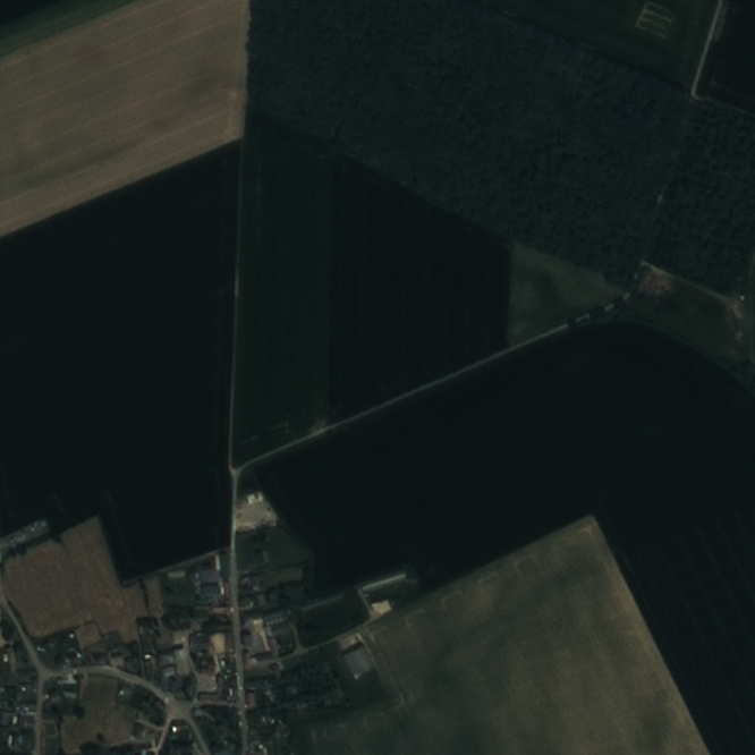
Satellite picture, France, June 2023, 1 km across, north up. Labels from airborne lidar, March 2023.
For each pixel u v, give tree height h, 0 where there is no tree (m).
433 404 0
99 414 0
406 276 0
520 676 0
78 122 0
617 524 0
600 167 27
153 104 0
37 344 0
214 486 0
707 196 13
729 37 0
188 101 0
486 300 0
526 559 0
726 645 0
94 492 0
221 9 0
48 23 0
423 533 0
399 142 20
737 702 0
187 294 0
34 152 0
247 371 0
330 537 0
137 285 0
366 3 23
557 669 0
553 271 0
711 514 0
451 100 21
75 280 0
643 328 0
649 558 0
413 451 0
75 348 0
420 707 0
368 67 27
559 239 16
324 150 0
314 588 0
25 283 0
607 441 0
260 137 0
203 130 0
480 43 24
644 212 22
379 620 0
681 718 0
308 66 22
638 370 0
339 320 0
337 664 0
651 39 0
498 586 0
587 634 0
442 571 0
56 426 0
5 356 0
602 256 15
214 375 0
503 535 0
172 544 0
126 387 0
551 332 0
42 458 0
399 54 24
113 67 0
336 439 0
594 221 21
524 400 0
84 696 0
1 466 0
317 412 0
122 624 0
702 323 0
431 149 22
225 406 0
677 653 0
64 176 0
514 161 18
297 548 0
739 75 0
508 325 0
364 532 0
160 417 0
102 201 0
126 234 0
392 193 0
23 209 0
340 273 0
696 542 0
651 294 0
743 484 0
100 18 0
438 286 0
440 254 0
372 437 0
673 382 0
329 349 0
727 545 0
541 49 22
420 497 0
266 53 18
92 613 0
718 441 0
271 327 0
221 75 0
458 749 0
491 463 0
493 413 0
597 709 0
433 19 22
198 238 0
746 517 0
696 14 0
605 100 21
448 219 0
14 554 8
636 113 24
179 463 0
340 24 25
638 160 22
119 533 0
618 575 0
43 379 0
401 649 0
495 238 0
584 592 0
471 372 0
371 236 0
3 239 0
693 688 0
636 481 0
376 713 0
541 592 0
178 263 0
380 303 0
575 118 21
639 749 0
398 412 0
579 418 0
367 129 18
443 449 0
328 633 0
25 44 0
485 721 0
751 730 0
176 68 0
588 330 0
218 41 0
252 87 13
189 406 0
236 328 0
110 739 0
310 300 0
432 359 0
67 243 0
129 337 0
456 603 0
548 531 0
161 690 0
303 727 0
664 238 8
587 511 0
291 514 0
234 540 0
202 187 0
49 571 0
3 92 0
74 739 0
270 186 0
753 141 16
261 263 0
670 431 0
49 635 0
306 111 18
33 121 0
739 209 13
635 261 15
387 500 0
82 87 0
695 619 0
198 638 0
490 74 23
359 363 0
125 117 0
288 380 0
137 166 0
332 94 17
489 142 24
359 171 0
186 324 0
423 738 0
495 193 21
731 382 0
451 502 0
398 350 0
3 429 0
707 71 0
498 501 0
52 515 0
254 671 0
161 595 0
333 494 0
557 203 20
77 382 0
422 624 0
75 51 0
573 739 0
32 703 0
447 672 0
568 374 0
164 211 0
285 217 0
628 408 0
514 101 25
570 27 0
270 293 0
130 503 0
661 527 0
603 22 0
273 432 0
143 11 0
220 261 0
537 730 0
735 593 0
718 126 12
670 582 0
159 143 0
